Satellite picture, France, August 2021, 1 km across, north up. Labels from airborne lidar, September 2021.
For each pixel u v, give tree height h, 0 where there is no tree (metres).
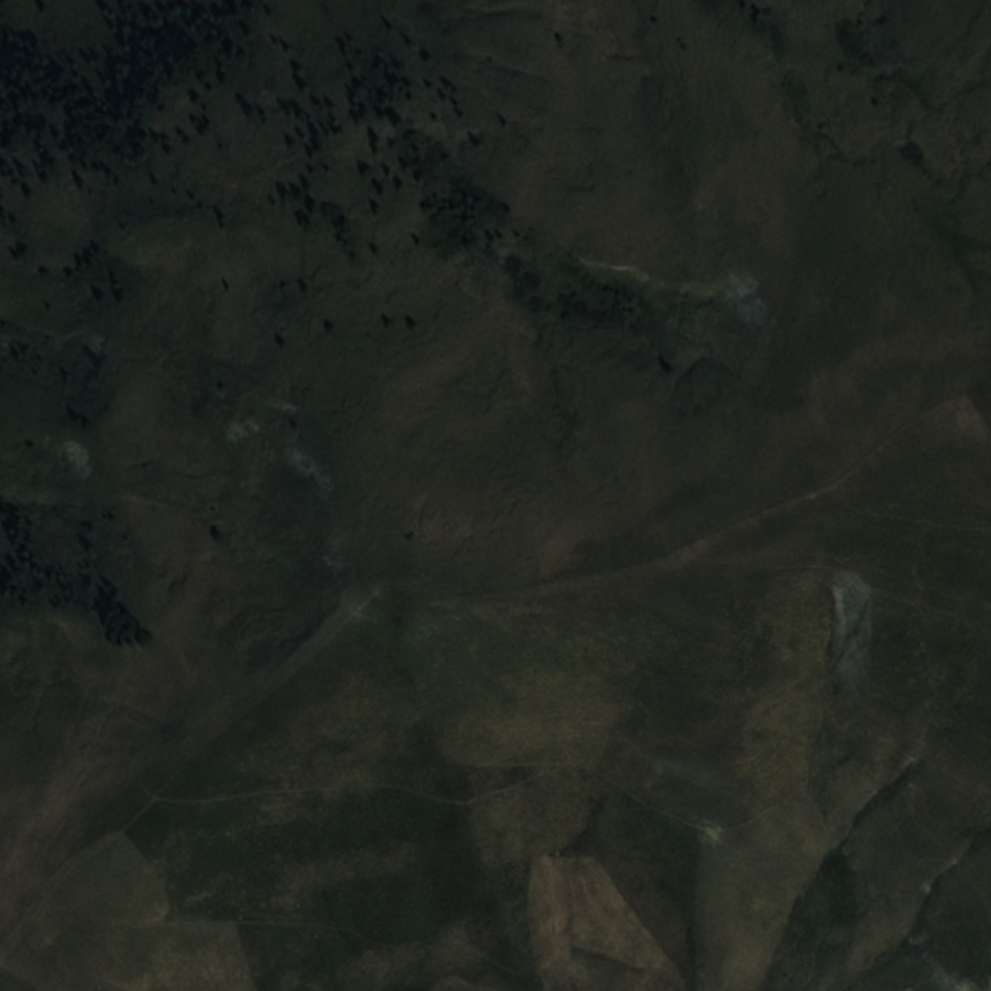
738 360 0
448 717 0
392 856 0
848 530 0
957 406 0
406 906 0
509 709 0
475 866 0
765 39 0
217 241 0
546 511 0
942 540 0
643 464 0
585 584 0
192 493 0
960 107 0
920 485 0
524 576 0
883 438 0
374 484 0
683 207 0
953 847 0
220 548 0
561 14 0
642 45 0
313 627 0
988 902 0
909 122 0
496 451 0
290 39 0
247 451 0
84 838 0
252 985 0
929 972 0
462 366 0
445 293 0
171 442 0
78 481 0
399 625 0
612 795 0
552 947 0
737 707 0
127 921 0
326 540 0
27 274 0
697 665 0
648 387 0
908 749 0
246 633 0
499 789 0
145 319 0
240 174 0
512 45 0
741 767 0
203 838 0
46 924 0
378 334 0
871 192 0
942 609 0
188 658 0
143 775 0
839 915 0
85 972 0
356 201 0
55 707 0
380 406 0
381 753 0
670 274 0
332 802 0
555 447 0
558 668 0
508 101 0
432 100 0
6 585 12
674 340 0
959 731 0
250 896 0
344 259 0
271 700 0
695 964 0
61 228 0
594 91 0
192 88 0
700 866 0
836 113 0
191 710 0
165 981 0
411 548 0
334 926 0
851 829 0
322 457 0
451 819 0
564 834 0
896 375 0
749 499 0
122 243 0
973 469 0
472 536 0
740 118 0
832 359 0
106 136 15
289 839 0
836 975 0
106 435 0
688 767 0
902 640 0
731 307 0
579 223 0
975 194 0
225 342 0
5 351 0
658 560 0
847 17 0
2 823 0
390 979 0
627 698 0
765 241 0
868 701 0
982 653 0
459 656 0
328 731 0
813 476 0
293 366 0
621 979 0
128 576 0
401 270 0
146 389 0
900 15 0
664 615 0
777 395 0
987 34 0
